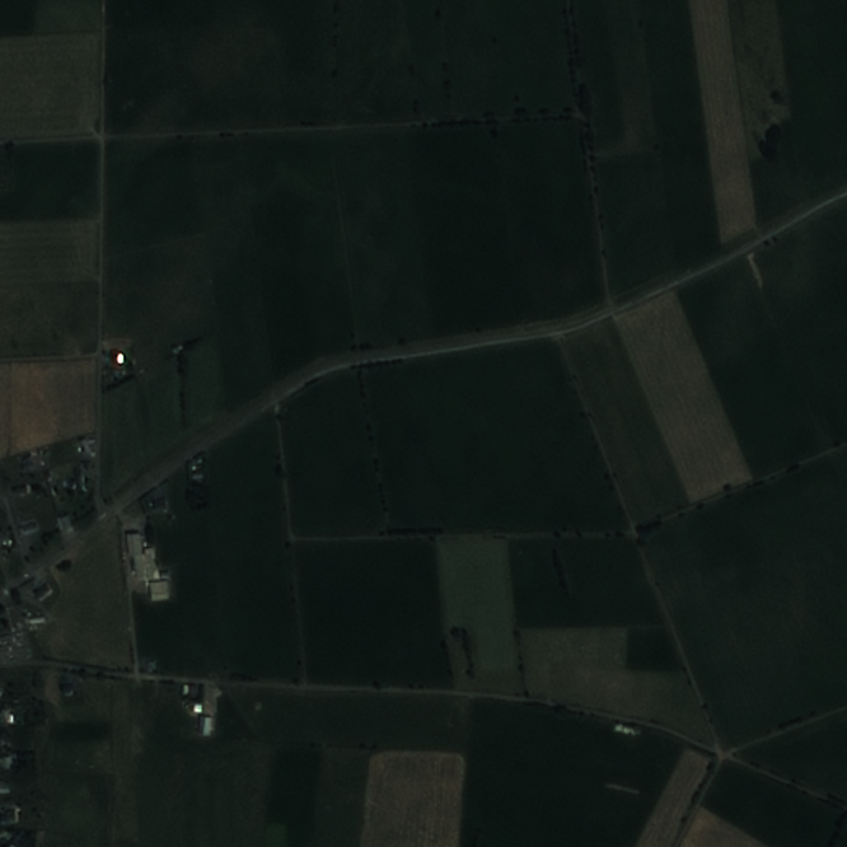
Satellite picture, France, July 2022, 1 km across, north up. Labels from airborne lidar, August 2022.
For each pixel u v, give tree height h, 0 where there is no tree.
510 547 0
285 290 0
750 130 0
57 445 0
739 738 0
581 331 0
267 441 0
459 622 0
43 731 0
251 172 0
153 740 0
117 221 0
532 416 0
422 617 0
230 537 0
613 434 0
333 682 0
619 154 0
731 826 0
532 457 0
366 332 0
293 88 0
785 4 0
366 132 0
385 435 0
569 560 0
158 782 0
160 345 0
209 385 0
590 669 0
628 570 0
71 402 0
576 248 0
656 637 0
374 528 0
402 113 0
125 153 0
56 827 0
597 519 0
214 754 0
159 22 0
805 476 0
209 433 0
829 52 0
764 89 0
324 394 0
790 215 0
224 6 0
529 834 0
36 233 0
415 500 0
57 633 0
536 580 0
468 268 0
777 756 0
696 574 0
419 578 0
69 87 0
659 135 0
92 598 0
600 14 0
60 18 0
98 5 0
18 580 0
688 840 0
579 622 0
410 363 0
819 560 0
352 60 0
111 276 0
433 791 0
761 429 0
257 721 0
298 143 0
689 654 0
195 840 0
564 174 0
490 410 0
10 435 0
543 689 0
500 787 0
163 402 0
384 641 0
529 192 0
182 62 0
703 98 0
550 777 0
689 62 0
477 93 0
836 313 0
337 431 0
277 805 0
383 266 0
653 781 0
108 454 0
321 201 0
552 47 0
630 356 0
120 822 0
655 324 0
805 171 0
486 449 0
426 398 0
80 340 0
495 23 0
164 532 0
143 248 0
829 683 0
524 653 0
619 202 0
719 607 0
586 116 12
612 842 0
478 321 0
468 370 0
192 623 0
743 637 0
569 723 0
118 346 0
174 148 0
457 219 0
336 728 0
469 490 0
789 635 0
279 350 0
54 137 0
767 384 0
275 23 0
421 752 0
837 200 0
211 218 0
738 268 0
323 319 0
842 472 0
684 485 0
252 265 0
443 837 0
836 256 0
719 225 0
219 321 0
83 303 0
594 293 0
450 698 0
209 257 0
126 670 6
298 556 0
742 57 0
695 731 0
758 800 0
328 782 0
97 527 0
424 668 0
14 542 7
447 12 0
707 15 0
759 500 0
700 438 0
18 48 0
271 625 0
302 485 0
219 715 0
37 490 12
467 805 0
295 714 0
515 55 0
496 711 0
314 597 0
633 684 0
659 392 0
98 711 0
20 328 0
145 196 0
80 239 0
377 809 0
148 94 0
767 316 0
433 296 0
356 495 0
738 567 0
